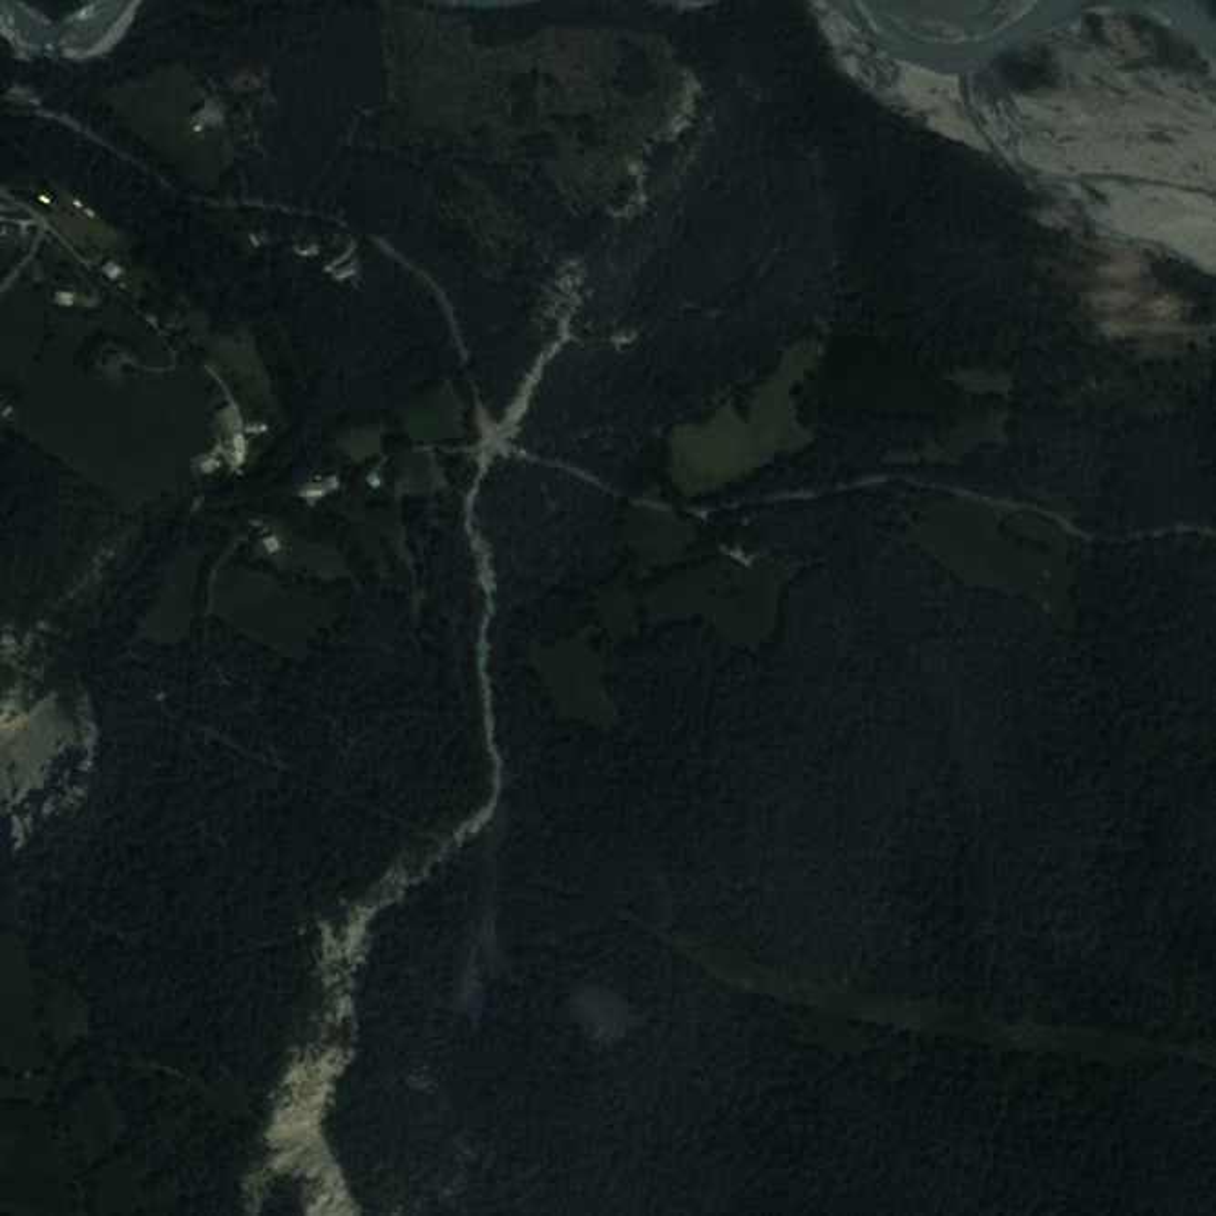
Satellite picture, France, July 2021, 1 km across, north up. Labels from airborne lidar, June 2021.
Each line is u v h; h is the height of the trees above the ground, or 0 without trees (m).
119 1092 11
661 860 7
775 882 13
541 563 15
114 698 19
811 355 0
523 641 13
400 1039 10
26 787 0
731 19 11
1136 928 22
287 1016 18
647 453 11
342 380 12
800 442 0
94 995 9
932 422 16
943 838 31
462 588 6
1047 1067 14
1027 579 0
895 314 13
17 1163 0
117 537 9
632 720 24
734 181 10
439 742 27
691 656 16
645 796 19
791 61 11
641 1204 13
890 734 20
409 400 8
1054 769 20
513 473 11
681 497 15
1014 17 0
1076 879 16
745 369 12
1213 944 18
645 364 12
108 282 9
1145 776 16
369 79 13
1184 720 15
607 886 9
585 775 17
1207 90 0
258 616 0
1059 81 0
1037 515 9
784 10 10
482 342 12
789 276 10
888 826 16
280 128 14
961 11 0
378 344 11
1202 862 18
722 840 14
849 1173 16
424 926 10
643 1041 12
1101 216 0
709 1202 18
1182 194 0
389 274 16
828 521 20
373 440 0
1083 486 18
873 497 14
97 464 0
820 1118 22
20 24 0
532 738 15
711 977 10
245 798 15
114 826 16
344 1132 13
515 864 7
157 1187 12
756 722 23
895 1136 17
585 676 0
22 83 15
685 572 12
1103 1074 16
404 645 18
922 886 21
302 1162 0
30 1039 0
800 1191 20
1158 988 12
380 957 9
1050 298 12
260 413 8
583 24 11
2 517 17
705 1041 19
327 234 17
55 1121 8
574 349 10
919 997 14
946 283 7
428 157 12
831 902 14
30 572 10
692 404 14
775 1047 24
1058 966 9
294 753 19
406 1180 8
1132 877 25
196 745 10
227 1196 18
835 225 9
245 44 15
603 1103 11
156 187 25
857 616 18
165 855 21
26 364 0
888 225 11
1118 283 0
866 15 0
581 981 10
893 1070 9
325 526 18
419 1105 11
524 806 10
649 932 10
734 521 9
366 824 24
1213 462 13
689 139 9
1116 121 0
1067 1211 9
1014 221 11
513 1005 13
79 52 0
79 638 14
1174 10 0
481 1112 12
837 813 20
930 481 13
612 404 12
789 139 13
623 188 6
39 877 8
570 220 10
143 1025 24
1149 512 18
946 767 20
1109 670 18
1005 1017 11
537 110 11
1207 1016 9
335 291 14
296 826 28
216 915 26
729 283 7
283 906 21
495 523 16
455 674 14
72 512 15
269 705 13
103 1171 10
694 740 30
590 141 11
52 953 22
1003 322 7
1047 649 15
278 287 8
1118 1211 16
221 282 20
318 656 14
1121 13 0
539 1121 15
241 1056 21
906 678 19
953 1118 19
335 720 12
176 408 0
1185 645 13
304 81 15
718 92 10
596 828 20
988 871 13
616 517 11
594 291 6
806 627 16
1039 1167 13
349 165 12
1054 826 16
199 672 20
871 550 17
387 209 14
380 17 16
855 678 23
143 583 20
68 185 6
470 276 14
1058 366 18
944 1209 20
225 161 0
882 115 13
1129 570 19
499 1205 14
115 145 19
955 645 16
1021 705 21
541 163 10
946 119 0
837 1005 0
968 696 16
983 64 0
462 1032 14
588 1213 24
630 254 7
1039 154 0
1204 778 14
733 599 6
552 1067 16
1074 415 12
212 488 9
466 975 0
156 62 22
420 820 15
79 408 0
